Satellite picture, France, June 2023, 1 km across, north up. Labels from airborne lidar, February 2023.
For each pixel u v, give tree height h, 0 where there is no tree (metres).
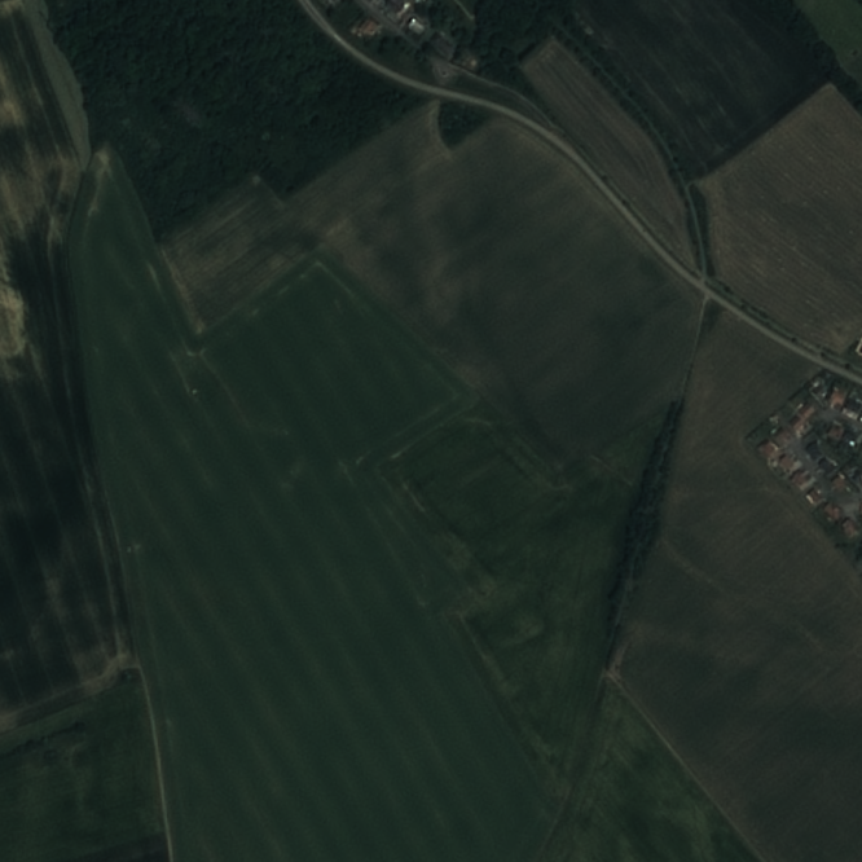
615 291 0
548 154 0
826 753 0
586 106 0
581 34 11
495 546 0
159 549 0
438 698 0
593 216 0
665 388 0
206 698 0
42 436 0
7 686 0
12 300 0
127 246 0
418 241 0
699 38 0
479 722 0
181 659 0
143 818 0
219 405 0
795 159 0
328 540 0
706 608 0
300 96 11
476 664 0
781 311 0
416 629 0
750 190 0
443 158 0
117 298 0
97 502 0
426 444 0
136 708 0
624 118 0
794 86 0
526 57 12
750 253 0
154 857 0
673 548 0
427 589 0
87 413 0
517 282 0
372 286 0
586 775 0
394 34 0
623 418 0
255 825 0
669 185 0
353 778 0
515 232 0
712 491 0
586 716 0
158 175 13
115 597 0
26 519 0
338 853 0
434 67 0
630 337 0
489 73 8
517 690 0
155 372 0
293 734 0
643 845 0
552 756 0
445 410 0
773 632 0
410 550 0
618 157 0
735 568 0
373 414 0
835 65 12
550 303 0
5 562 0
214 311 0
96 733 0
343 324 0
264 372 0
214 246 0
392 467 0
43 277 0
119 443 0
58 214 0
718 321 0
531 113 0
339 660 0
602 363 0
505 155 0
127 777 0
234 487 0
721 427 0
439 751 0
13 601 0
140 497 0
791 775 0
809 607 0
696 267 0
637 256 0
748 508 0
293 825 0
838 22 0
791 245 0
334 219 0
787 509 0
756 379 0
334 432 0
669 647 0
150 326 0
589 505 0
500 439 0
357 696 0
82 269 0
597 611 0
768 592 0
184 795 0
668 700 0
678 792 0
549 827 0
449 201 0
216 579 0
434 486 0
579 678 0
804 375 0
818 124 0
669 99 0
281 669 0
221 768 0
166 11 16
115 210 0
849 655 0
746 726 0
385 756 0
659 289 0
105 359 0
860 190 0
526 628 0
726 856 0
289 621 0
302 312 0
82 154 0
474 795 0
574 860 0
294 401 0
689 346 0
